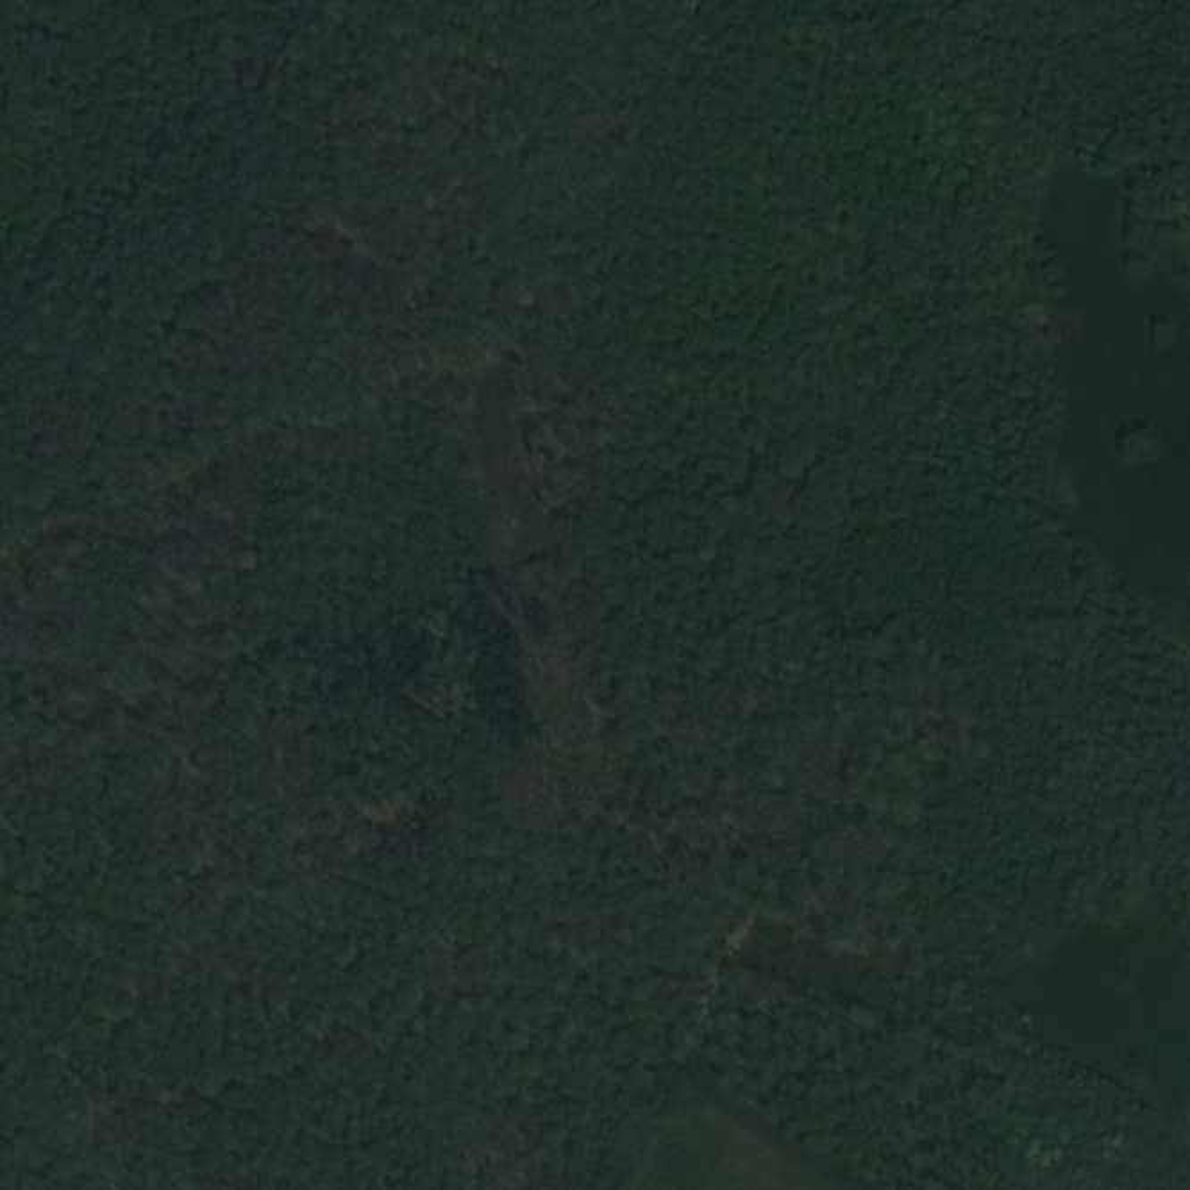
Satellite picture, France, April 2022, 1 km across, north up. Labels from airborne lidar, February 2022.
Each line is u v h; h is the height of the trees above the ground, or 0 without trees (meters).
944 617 11
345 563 28
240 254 25
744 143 29
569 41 29
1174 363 0
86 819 30
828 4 24
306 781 29
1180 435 0
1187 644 0
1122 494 0
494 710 30
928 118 25
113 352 29
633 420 32
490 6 27
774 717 29
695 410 23
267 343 28
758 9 26
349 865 29
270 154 29
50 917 27
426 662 27
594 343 31
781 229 30
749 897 28
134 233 27
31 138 30
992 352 26
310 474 26
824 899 29
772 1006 27
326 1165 27
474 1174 29
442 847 28
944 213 29
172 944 29
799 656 33
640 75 31
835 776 31
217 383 32
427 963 27
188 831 29
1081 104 26
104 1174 26
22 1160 30
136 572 26
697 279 29
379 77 28
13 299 30
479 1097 27
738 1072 28
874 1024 34
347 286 28
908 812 33
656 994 30
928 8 30
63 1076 28
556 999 25
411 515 29
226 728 31
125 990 27
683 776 27
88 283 20
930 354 31
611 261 27
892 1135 33
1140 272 22
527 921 28
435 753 29
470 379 28
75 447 28
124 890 29
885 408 30
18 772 0
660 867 30
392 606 30
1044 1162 24
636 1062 27
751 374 27
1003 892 16
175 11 27
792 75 28
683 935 31
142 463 28
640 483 25
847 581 17
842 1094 32
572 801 18
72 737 32
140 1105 26
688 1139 0
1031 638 25
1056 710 30
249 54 29
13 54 29
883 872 30
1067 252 0
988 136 26
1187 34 27
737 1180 0
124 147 29
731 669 33
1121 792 25
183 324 27
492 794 23
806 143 29
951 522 11
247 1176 29
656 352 17
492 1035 29
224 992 29
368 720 26
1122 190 0
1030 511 15
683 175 27
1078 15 31
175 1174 26
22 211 24
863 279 31
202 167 24
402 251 29
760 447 30
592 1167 27
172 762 28
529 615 21
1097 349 0
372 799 31
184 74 28
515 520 0
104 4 18
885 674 28
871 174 22
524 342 27
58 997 28
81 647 29
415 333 27
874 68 27
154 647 25
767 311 21
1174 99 27
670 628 25
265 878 29
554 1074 27
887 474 34
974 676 31
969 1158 28
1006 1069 28
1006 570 11
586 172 31
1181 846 32
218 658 30
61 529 28
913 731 35
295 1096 12
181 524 29
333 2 29
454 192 30
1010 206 22
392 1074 27
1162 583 0
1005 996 12
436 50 30
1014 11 23
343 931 28
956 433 30
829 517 30
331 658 26
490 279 26
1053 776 12
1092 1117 26
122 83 27
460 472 26
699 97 28
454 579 27
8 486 32
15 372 31
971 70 32
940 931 16
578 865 30
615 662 30
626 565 28
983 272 21
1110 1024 0
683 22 28
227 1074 25
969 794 15
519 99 26
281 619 27
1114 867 27
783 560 29
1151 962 0
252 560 29
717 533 29
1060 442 10
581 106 26
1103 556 0
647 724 28
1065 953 0
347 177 30
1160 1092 0
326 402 24
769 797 33
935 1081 28
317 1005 25
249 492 30
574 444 29
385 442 23
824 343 30
